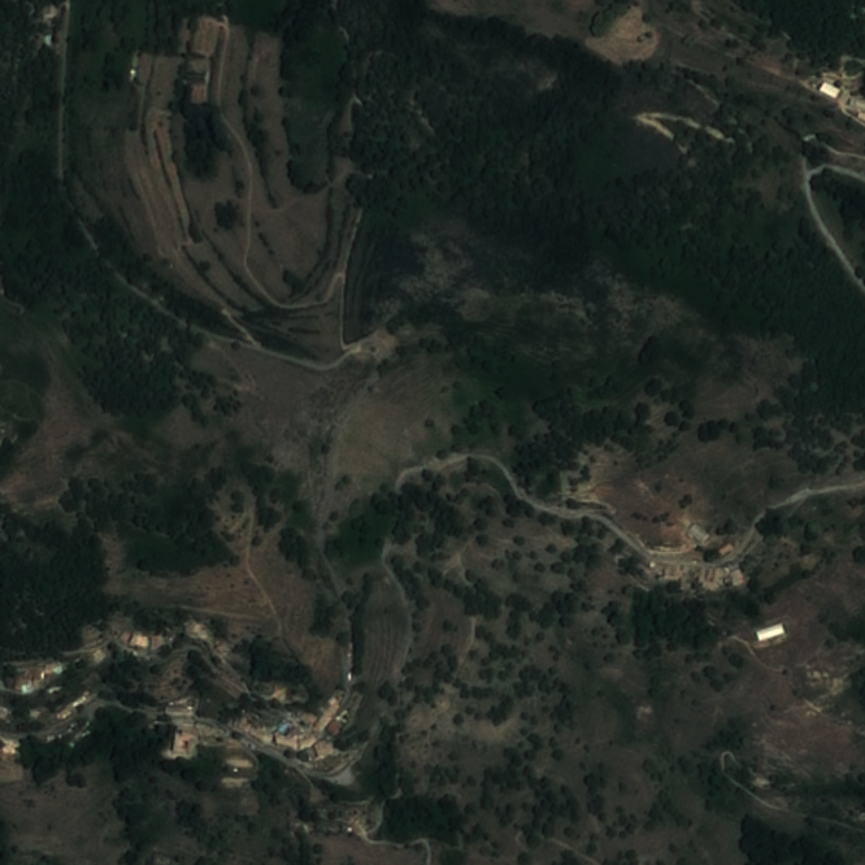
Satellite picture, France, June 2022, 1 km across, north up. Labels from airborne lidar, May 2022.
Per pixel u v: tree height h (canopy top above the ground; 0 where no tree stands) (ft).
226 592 0
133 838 53
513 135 36
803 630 0
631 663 0
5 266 28
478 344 34
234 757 0
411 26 19
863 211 88
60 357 0
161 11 37
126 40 41
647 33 28
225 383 0
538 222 28
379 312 0
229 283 0
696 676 21
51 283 47
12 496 0
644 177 30
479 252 0
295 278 52
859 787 32
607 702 0
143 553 0
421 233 0
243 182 19
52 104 35
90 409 0
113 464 0
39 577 42
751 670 0
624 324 0
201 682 49
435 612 0
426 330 0
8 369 0
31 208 26
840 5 57
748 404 0
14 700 24
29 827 0
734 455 0
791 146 0
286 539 36
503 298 0
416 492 51
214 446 0
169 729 39
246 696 33
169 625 25
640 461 34
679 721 21
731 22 0
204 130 43
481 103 24
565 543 0
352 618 30
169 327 33
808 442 34
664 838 0
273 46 0
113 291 26
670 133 0
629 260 0
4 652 40
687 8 27
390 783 31
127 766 54
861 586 0
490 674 32
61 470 0
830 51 46
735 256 43
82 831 0
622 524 0
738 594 19
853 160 0
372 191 44
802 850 48
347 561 0
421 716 0
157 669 40
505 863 0
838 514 0
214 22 0
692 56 0
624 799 0
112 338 35
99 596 25
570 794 45
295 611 0
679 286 0
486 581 43
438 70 36
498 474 0
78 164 26
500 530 0
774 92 0
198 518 36
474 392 0
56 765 35
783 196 29
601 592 0
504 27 76
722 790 30
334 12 48
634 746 0
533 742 32
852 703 0
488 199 28
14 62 21
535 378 0
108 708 19
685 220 42
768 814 0
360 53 28
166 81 0
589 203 49
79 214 29
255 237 0
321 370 0
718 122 23
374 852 0
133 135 0
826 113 28
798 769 0
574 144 35
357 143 39
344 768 0
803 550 32
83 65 0
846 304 43
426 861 0
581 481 21
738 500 0
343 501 0
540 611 29
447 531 30
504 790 26
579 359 0
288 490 0
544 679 32
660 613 51
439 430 0
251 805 0
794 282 40
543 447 24
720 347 0
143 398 33
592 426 46
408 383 0
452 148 41
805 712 0
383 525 0
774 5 55
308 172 0
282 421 0
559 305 0
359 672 45
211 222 0
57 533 46
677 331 0
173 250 0
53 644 34
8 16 26
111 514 32
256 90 36
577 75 22
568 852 36
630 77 0
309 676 51
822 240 45
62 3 37
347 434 0
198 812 47
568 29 0
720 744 35
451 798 41
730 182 29
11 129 42
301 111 0
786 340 0
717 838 0
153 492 31
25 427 0
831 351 49
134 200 0
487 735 0
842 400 47
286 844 27
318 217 0
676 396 49
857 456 35
